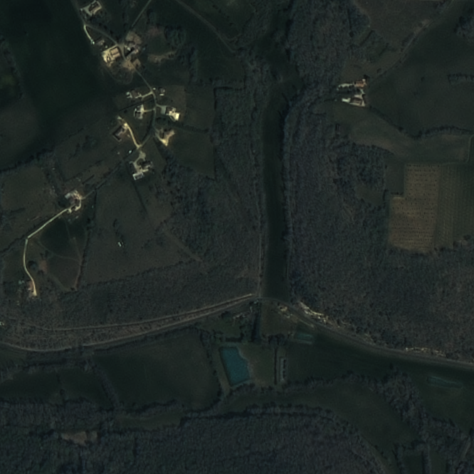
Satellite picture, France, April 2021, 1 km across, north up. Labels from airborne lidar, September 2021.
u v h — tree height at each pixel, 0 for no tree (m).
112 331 10
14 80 0
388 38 0
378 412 0
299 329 0
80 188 0
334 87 5
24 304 7
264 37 0
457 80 8
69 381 0
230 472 21
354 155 11
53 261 0
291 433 14
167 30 18
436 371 0
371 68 0
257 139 24
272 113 0
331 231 14
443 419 0
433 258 15
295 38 20
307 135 12
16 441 24
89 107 0
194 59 18
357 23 16
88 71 0
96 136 0
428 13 0
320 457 16
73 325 14
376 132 0
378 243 15
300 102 10
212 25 0
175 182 11
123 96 0
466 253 20
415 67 0
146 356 0
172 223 9
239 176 18
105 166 0
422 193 0
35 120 0
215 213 16
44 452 20
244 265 14
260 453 14
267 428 19
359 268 13
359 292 11
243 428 24
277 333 0
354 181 12
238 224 14
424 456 17
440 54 0
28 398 0
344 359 0
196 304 14
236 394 12
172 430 9
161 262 0
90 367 16
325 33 9
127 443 16
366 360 0
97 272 0
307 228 11
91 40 0
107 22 6
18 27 0
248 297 11
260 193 14
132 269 0
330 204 14
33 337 9
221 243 15
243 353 0
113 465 24
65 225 0
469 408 0
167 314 11
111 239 0
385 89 0
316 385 13
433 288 12
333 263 13
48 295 11
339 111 0
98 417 23
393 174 0
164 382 0
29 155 0
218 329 0
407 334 10
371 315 9
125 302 15
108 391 19
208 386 0
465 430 0
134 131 0
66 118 0
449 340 14
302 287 9
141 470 22
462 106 0
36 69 0
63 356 12
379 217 16
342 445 16
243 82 7
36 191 0
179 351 0
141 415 23
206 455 21
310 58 13
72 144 0
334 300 8
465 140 0
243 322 15
